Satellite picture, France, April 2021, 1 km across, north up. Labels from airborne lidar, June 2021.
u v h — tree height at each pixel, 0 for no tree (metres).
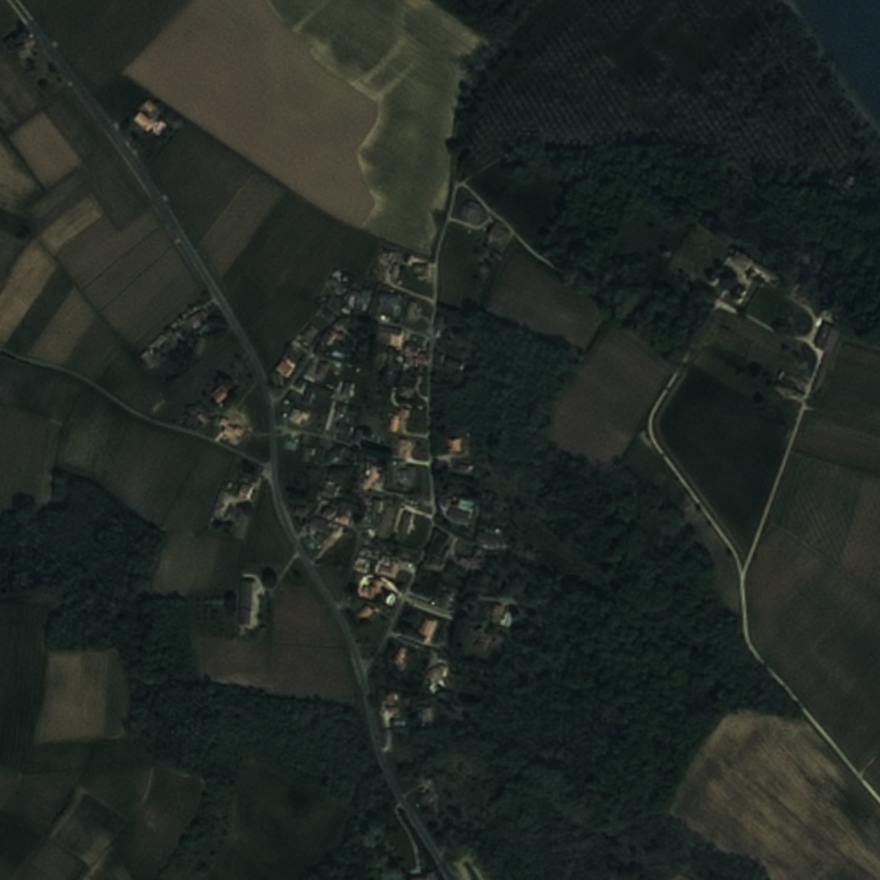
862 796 0
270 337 0
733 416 0
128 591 21
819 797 0
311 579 0
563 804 14
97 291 0
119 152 0
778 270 10
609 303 24
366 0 0
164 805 0
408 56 0
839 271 18
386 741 0
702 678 24
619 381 0
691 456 0
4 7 0
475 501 11
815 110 25
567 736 14
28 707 0
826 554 0
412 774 11
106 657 0
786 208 20
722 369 0
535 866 9
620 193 13
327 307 9
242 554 0
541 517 16
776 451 0
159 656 13
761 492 0
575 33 8
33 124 0
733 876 8
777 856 0
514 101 25
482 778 10
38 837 0
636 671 19
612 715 27
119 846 0
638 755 21
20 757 0
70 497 7
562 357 19
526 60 14
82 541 18
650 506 11
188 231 0
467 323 10
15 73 0
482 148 25
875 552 0
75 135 0
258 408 0
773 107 22
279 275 0
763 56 17
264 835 0
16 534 10
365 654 0
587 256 26
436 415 7
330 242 0
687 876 14
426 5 0
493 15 17
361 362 7
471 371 10
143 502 0
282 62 0
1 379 0
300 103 0
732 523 0
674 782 20
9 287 0
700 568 23
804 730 0
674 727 17
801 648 0
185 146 0
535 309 0
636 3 15
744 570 0
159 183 0
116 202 0
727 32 0
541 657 17
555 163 21
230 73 0
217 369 0
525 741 9
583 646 23
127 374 0
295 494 7
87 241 0
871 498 0
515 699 25
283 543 0
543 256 7
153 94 0
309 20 0
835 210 23
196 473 0
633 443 0
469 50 0
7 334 0
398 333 0
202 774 14
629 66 0
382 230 0
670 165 20
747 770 0
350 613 7
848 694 0
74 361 0
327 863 8
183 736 19
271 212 0
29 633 0
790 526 0
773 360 0
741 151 24
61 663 0
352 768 18
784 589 0
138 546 17
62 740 0
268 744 6
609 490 11
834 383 0
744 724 0
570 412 0
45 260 0
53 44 0
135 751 0
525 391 12
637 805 13
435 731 16
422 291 0
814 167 23
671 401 0
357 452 9
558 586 18
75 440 0
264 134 0
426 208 0
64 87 0
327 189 0
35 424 0
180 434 0
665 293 17
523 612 13
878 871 0
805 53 28
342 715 14
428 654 10
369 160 0
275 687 0
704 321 30
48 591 22
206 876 13
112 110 0
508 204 0
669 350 15
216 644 0
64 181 0
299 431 0
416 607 0
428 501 0
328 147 0
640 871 16
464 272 0
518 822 9
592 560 11
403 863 6
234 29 0
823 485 0
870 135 16
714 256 0
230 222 0
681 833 16
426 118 0
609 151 19
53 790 0
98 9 0
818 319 0
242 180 0
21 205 0
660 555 15
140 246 0
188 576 0
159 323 0
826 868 0
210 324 6
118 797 0
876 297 28
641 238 0
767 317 0
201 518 0
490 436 6
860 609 0
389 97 0
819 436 0
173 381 7
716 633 16
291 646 0
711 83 16
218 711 10
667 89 18
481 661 7
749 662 18
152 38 0
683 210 19
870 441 0
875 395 0
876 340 14
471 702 12
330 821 0
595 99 17
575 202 19
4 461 0
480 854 25
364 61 0
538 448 16
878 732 0
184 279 0
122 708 0
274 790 0
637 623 17
